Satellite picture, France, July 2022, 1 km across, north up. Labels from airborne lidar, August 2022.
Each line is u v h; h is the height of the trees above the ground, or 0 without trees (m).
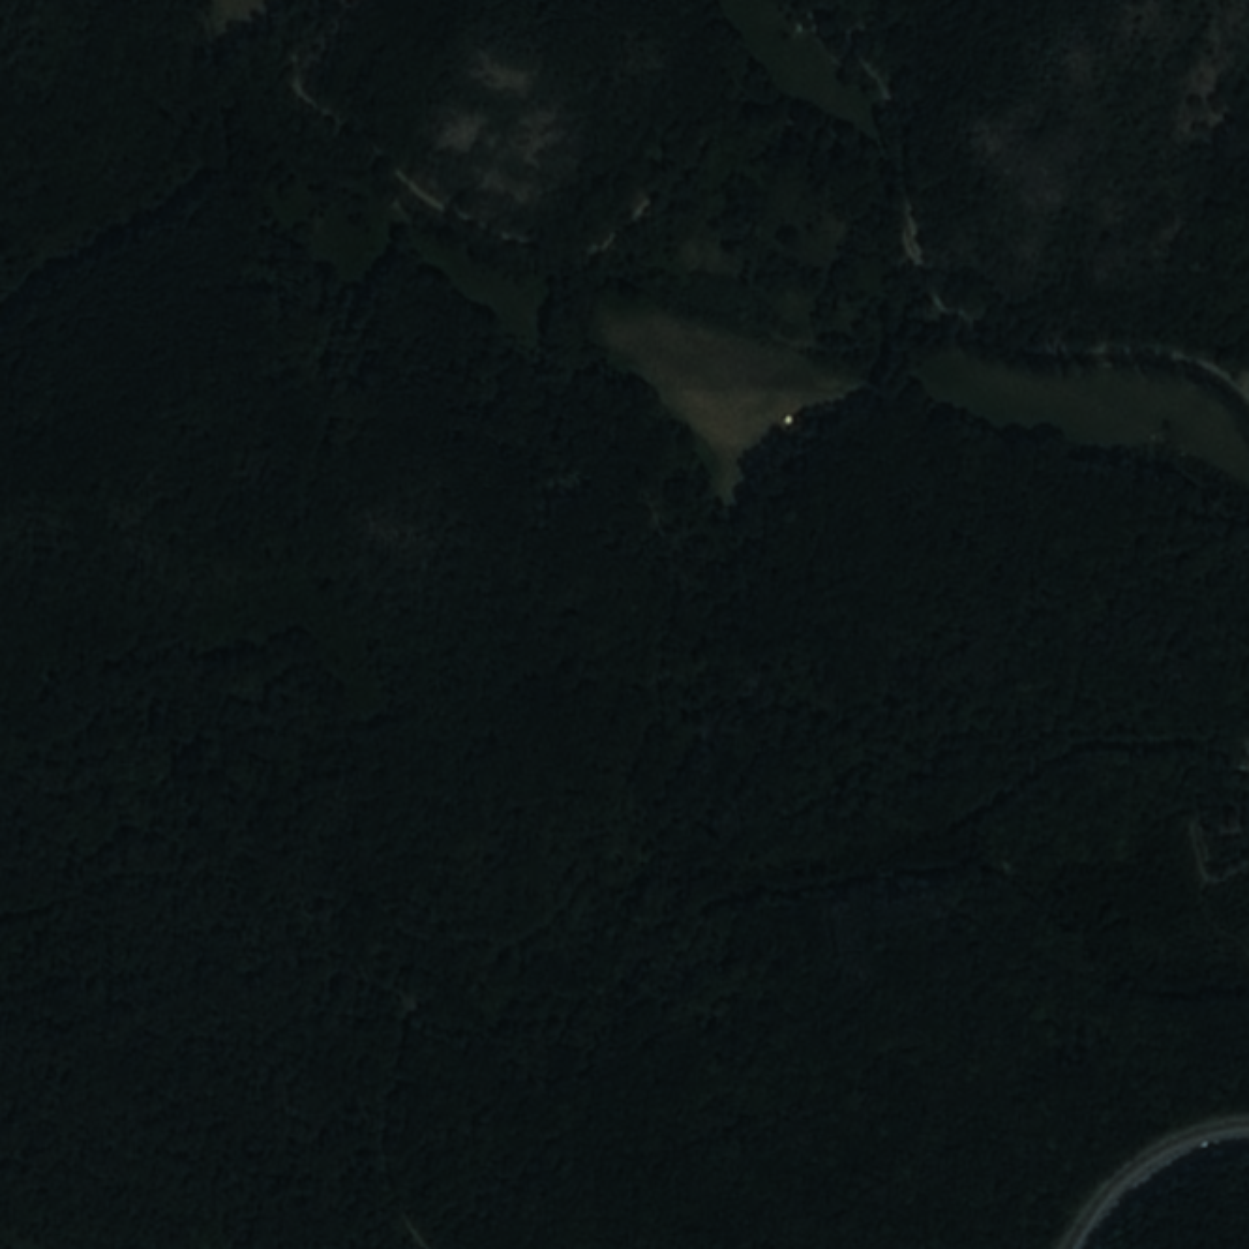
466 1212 14
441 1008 20
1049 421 0
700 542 21
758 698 22
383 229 0
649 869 9
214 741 23
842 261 9
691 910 16
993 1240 19
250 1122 20
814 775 16
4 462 12
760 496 25
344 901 11
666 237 8
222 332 15
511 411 21
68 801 16
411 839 15
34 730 24
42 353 20
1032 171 0
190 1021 21
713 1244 20
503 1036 15
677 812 21
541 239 14
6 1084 21
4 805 20
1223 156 18
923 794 21
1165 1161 0
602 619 22
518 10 19
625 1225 17
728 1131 17
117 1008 22
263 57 21
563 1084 22
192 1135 20
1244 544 16
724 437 0
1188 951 6
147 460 8
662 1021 21
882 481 21
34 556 8
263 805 20
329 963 16
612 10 17
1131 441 0
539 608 21
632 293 19
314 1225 21
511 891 16
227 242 17
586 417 21
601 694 22
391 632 17
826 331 6
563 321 13
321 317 27
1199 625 18
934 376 0
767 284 8
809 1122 18
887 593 20
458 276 0
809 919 23
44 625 20
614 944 13
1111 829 20
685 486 25
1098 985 23
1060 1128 18
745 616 23
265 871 21
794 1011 20
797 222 0
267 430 10
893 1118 18
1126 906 10
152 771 12
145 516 11
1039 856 21
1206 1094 20
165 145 16
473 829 16
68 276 22
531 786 18
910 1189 18
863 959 22
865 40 16
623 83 9
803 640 19
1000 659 22
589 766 22
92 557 14
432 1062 20
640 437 21
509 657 18
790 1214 24
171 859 15
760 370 0
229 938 16
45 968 7
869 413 20
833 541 25
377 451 17
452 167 6
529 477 19
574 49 15
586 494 20
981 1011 18
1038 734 12
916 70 21
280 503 20
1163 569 19
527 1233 18
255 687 9
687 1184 23
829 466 22
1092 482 23
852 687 24
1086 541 21
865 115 0
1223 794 23
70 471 14
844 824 17
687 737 10
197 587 14
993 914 20
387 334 18
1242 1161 14
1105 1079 19
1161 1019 20
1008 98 7
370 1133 17
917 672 20
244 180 21
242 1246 24
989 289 13
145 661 8
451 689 18
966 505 24
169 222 21
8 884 18
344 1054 19
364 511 7
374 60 14
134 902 20
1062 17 6
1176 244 12
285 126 16
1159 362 29
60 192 19
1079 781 18
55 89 16
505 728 18
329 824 21
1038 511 19
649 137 23
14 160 14
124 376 16
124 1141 21
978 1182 22
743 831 19
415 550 6
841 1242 19
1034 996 15
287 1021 18
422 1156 15
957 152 10
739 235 8
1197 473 6
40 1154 20
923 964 19
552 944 14
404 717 19
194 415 15
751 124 18
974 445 26
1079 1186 18
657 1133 22
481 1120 22
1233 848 8
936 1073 20
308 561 16
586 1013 17
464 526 13
